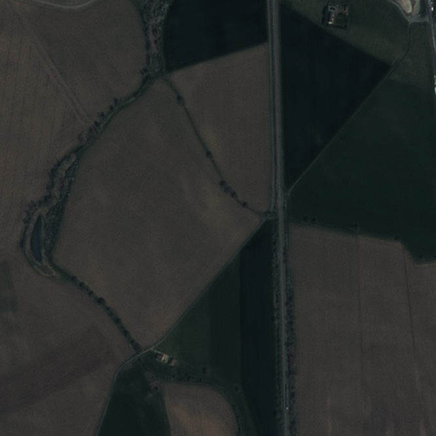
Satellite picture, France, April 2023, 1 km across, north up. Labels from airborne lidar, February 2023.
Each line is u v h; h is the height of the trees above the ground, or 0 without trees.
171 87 0
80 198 0
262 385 0
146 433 0
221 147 0
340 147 0
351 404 0
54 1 0
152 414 0
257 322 0
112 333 0
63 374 0
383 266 0
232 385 0
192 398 0
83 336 0
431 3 0
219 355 0
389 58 0
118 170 0
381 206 0
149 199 0
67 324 0
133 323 0
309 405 0
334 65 0
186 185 0
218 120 0
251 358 0
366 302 0
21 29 0
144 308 0
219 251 0
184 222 0
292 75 0
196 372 0
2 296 0
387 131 0
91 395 0
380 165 0
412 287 0
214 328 0
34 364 0
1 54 0
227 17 0
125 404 0
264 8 0
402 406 0
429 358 0
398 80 0
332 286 0
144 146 0
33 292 0
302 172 0
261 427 0
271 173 0
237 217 0
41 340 0
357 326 0
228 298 0
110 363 0
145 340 0
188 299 0
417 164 0
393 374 0
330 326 0
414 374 0
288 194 0
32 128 0
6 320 0
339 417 0
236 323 0
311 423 0
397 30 0
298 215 0
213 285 0
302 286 0
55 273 0
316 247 0
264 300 0
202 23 0
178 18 0
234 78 0
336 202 0
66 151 0
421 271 0
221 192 0
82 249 0
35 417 0
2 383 0
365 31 0
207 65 0
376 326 0
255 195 0
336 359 0
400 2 0
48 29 0
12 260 0
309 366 0
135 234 0
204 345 0
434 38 0
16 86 0
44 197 0
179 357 0
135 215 0
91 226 0
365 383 0
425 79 0
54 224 7
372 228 0
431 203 0
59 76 0
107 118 20
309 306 0
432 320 0
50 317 0
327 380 0
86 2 0
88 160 0
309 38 0
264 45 0
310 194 0
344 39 0
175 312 0
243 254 0
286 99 0
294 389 11
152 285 0
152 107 0
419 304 0
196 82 0
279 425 7
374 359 0
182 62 0
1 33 0
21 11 0
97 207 0
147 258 0
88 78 0
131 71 0
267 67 0
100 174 0
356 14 0
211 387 0
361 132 0
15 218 0
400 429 0
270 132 0
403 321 0
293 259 0
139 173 0
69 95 0
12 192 0
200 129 0
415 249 0
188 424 0
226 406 0
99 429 0
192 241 0
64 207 11
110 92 0
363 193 0
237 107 0
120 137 0
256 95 0
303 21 0
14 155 0
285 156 0
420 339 0
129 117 0
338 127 0
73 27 0
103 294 0
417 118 0
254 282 0
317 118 0
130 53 0
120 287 0
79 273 0
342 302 0
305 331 0
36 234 0
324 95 0
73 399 0
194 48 0
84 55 0
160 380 0
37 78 0
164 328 0
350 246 0
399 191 0
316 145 0
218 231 0
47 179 0
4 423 0
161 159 0
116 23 0
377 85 0
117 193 0
